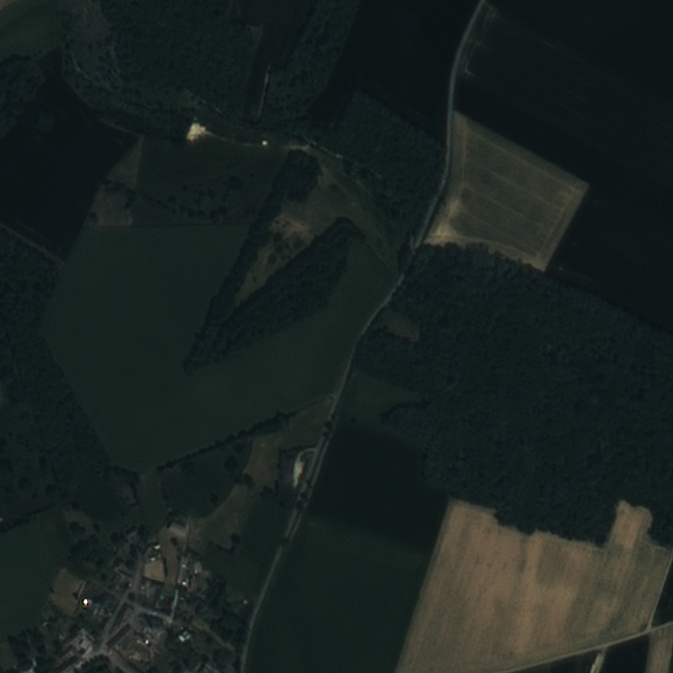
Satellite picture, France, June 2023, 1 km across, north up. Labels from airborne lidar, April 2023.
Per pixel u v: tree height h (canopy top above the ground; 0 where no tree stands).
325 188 0
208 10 14
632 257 0
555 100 0
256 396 0
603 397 26
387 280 0
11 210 0
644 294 0
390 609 0
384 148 18
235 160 0
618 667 0
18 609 0
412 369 23
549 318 21
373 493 0
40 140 0
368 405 0
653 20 0
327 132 9
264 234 17
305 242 0
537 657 0
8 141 0
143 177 0
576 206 0
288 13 0
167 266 0
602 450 28
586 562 0
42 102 0
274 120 7
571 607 0
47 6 0
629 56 0
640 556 0
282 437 0
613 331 23
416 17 0
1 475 14
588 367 27
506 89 0
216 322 21
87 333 0
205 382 0
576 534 15
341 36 16
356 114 17
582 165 0
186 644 10
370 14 0
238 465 18
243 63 19
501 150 0
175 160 0
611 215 0
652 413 24
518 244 0
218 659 14
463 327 22
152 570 0
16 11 0
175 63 17
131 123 8
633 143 0
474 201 0
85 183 0
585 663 0
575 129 0
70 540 0
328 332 0
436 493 0
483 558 0
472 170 0
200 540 0
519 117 0
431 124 0
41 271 14
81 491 0
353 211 0
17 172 0
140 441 0
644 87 0
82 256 0
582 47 0
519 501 22
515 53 0
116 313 0
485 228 0
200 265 0
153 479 0
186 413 0
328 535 0
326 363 0
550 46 0
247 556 0
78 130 0
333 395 0
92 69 0
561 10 0
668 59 0
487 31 0
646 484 23
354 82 0
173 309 0
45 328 0
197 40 21
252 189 0
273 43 0
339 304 0
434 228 0
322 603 0
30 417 12
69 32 10
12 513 0
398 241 0
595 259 0
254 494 0
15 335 20
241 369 0
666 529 19
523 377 26
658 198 0
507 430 22
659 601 0
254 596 0
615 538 0
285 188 21
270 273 0
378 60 0
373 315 0
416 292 15
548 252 0
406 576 0
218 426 0
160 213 0
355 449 0
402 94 0
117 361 0
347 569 0
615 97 0
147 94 0
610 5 0
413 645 0
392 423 13
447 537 0
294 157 16
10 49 0
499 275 25
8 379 17
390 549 0
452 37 0
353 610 0
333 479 0
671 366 22
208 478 0
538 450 25
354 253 0
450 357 23
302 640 0
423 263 16
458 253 21
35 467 0
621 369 25
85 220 0
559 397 27
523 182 0
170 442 0
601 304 20
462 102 0
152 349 0
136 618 0
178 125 8
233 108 17
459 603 0
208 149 0
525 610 0
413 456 0
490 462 22
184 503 0
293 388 0
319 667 0
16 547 0
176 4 22
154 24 19
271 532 0
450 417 20
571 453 26
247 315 18
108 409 0
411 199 12
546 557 0
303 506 11
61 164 0
